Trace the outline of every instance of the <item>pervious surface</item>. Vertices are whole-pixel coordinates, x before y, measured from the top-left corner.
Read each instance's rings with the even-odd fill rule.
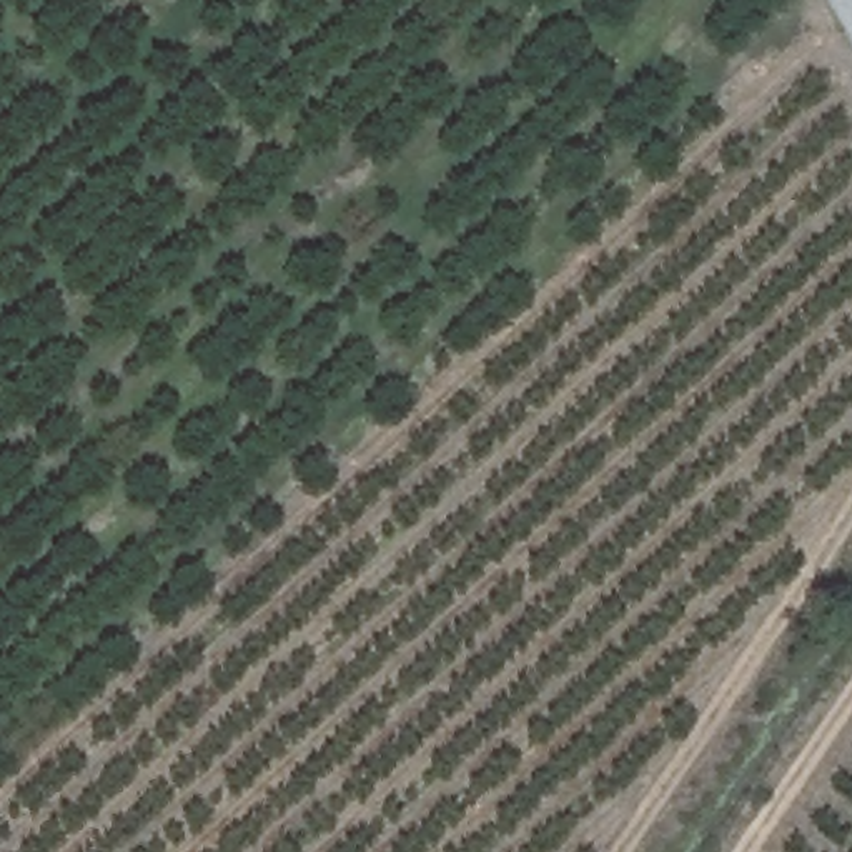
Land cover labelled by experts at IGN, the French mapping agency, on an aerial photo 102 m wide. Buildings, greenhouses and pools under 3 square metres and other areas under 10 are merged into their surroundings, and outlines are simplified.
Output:
[[[852,536],[852,466],[832,476],[825,489],[815,489],[809,499],[795,503],[789,519],[782,523],[795,549],[802,549],[799,572],[785,586],[749,606],[742,626],[732,629],[722,642],[702,646],[696,662],[686,669],[686,676],[692,679],[692,692],[686,699],[696,706],[696,726],[689,729],[689,736],[672,746],[662,746],[622,792],[616,792],[599,809],[592,809],[592,815],[572,825],[569,839],[576,839],[579,845],[589,842],[596,852],[639,852],[652,822],[662,815],[662,809],[669,809],[672,792],[686,782],[702,749],[729,726],[732,706],[742,699],[742,692],[755,686],[762,662],[779,646],[789,629],[785,612],[805,602],[805,592],[812,586],[819,572],[829,572],[839,562],[845,539]]]
[[[762,852],[765,839],[779,829],[799,792],[805,789],[809,775],[819,769],[845,722],[852,719],[852,676],[829,702],[819,729],[802,742],[799,755],[779,775],[772,799],[739,832],[729,852]]]

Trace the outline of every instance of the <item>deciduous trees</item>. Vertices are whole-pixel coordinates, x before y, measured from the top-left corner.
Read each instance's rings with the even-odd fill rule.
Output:
[[[779,829],[765,839],[762,852],[852,852],[852,719],[845,722],[819,769],[809,775],[805,789],[799,792]]]
[[[852,466],[852,0],[0,0],[0,852],[596,852],[589,842],[579,845],[576,839],[569,839],[572,825],[592,815],[592,809],[599,809],[616,792],[622,792],[662,746],[672,746],[689,736],[689,729],[696,726],[696,706],[686,699],[692,692],[692,679],[686,676],[686,669],[696,662],[702,646],[722,642],[732,629],[742,626],[749,606],[785,586],[799,572],[802,549],[795,549],[782,523],[789,519],[795,503],[809,499],[815,489],[825,489],[832,476]]]
[[[812,586],[805,592],[805,602],[785,612],[789,629],[779,646],[789,656],[795,656],[799,649],[822,649],[829,639],[852,659],[852,592],[819,592]]]

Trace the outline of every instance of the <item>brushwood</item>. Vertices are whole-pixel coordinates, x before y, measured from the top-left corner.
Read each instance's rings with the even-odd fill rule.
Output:
[[[852,536],[845,539],[839,562],[829,572],[819,572],[812,586],[819,592],[852,592]]]
[[[639,852],[729,852],[739,832],[772,799],[779,775],[799,755],[802,742],[819,729],[829,702],[852,676],[852,659],[829,639],[822,649],[799,649],[795,656],[789,656],[779,646],[762,662],[755,686],[742,692],[742,699],[732,706],[729,726],[702,749],[686,782],[672,792],[669,809],[662,809],[662,815],[652,822]]]

